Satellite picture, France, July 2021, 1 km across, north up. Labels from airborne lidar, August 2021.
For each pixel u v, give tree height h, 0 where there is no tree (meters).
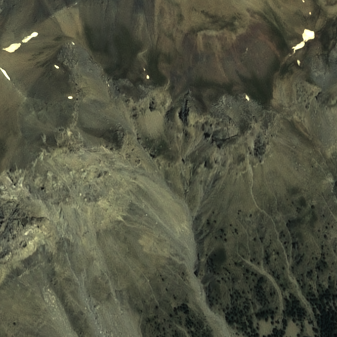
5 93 0
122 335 0
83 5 0
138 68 0
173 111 0
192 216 0
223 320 0
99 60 0
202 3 0
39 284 0
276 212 0
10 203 0
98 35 0
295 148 0
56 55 0
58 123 0
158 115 0
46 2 0
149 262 0
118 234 0
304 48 0
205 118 0
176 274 0
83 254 0
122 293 0
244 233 0
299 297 0
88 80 0
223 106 0
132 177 0
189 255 0
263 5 0
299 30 0
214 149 0
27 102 0
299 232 0
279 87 0
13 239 0
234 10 0
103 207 0
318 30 0
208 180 0
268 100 0
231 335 0
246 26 0
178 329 0
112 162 0
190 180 0
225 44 0
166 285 0
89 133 0
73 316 0
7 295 0
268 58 0
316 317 11
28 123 0
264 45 0
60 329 0
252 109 0
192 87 0
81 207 0
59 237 0
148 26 0
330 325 19
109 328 0
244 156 0
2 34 0
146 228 0
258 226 0
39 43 0
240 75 0
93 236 0
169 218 0
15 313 0
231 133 0
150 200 0
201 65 0
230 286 0
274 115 0
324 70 0
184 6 0
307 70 0
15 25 0
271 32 0
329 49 0
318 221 0
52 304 0
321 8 0
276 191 0
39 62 0
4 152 0
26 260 0
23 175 0
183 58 0
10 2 0
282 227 0
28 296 0
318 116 0
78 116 0
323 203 0
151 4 0
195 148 0
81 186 0
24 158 0
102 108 0
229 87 0
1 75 0
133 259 0
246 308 9
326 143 0
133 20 0
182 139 0
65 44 0
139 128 0
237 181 0
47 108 0
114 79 0
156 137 0
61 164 0
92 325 0
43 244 0
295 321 13
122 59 0
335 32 0
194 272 0
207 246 0
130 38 0
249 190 0
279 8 0
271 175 0
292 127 0
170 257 0
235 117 0
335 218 0
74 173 0
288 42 0
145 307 0
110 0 0
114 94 0
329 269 0
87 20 0
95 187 0
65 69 0
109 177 0
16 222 0
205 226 0
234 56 0
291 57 0
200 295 0
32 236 0
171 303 0
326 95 0
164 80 0
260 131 0
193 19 0
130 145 0
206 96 0
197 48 0
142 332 0
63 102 0
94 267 0
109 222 0
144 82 0
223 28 0
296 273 0
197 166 0
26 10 0
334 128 0
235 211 0
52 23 0
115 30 0
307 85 0
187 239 0
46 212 0
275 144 0
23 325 0
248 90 0
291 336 0
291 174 0
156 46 0
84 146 0
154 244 0
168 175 0
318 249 0
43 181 0
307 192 0
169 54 0
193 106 0
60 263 0
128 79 0
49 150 0
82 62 0
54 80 0
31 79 0
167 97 0
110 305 0
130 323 0
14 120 0
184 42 0
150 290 0
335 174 0
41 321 0
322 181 0
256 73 0
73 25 0
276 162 0
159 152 0
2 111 0
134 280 0
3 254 0
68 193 0
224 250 0
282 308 0
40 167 0
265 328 0
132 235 0
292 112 0
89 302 0
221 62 0
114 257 0
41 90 0
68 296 0
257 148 0
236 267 0
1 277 0
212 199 0
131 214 0
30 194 0
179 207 0
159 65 0
